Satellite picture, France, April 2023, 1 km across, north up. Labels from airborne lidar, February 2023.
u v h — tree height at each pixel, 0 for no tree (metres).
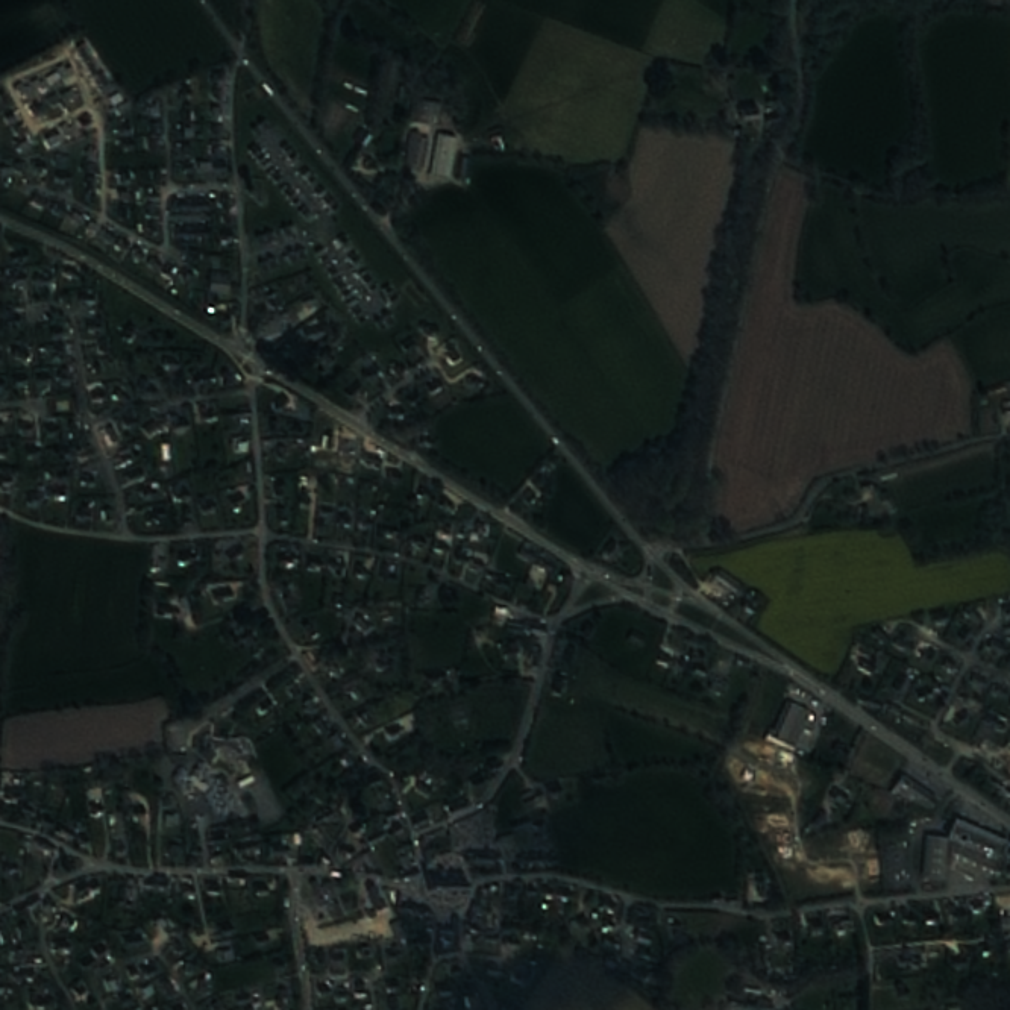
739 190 14
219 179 0
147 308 0
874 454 0
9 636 8
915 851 0
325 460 0
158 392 0
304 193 0
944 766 0
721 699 0
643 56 0
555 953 0
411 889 0
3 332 11
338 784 6
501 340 0
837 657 0
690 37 0
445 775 7
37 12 0
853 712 0
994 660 0
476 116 0
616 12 0
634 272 0
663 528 22
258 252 0
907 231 0
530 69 0
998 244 0
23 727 0
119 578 0
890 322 0
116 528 0
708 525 15
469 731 0
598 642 0
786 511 0
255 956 6
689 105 0
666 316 0
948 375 0
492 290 0
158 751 12
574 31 0
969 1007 14
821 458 0
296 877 0
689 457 24
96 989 0
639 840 0
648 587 0
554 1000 0
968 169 0
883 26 0
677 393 0
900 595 0
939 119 0
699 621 0
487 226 0
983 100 0
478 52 0
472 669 0
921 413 0
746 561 0
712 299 15
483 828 0
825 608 0
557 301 0
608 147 0
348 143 0
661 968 9
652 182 0
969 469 0
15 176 0
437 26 0
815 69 10
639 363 0
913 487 0
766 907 8
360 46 6
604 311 0
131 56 0
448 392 0
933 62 0
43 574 0
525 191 0
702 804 0
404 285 0
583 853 0
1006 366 0
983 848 0
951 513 0
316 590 0
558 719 0
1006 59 0
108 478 0
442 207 0
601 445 0
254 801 10
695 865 0
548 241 0
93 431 0
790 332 0
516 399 0
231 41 0
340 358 0
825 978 14
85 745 0
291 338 12
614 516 0
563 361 0
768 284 0
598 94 0
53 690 0
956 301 0
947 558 10
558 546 0
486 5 0
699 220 0
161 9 0
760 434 0
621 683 0
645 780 0
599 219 9
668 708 0
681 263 0
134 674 0
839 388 0
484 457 0
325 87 12
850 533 0
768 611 0
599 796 0
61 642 0
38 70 0
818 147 0
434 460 7
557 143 0
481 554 0
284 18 0
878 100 0
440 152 0
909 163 8
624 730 0
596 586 0
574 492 0
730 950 19
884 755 0
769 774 0
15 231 0
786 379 0
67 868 12
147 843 7
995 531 13
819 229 0
